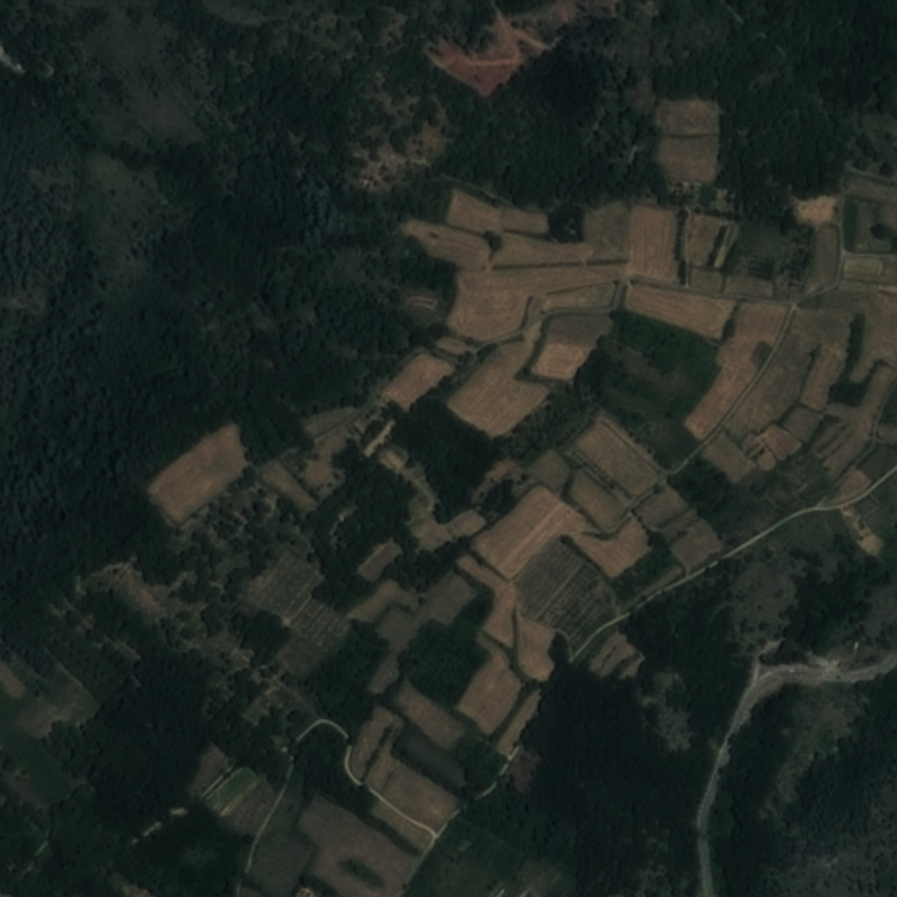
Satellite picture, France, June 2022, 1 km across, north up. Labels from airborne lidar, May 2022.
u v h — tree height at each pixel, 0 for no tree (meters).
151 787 16
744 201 8
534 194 14
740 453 0
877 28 14
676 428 0
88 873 17
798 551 8
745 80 11
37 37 14
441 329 5
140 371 7
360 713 10
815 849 7
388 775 0
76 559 11
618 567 0
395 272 12
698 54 11
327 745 7
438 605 0
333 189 16
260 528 11
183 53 8
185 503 0
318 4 7
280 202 10
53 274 19
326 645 0
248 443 12
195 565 13
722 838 15
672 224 0
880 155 12
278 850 0
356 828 0
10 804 11
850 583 12
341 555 17
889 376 0
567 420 8
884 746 14
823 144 16
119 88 9
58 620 7
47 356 19
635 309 0
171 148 11
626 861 10
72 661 9
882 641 8
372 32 10
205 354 10
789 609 8
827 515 0
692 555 0
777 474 0
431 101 10
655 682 7
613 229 0
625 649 0
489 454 11
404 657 7
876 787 11
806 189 16
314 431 0
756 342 0
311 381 19
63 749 11
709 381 0
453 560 7
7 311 16
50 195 16
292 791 0
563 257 0
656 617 10
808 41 7
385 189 0
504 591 0
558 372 0
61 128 8
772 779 13
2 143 21
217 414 14
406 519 14
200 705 18
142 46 0
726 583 7
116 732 18
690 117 0
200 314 7
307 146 14
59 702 0
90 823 15
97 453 12
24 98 10
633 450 0
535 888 0
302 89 7
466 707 0
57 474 7
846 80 6
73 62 13
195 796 11
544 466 0
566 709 16
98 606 13
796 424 0
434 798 0
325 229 29
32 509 6
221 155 6
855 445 0
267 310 11
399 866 0
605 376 11
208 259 12
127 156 10
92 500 10
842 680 0
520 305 0
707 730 12
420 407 9
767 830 13
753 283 0
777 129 9
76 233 15
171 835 6
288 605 0
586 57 12
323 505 12
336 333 10
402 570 6
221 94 8
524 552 0
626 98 7
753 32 10
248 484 11
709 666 12
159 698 22
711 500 7
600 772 9
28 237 14
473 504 8
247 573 13
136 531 12
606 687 11
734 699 12
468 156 7
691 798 12
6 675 0
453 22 8
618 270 0
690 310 0
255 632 12
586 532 0
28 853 10
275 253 8
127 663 15
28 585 19
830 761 10
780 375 0
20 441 14
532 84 8
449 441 14
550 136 10
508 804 9
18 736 0
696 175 0
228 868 5
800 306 0
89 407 14
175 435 16
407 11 7
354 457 6
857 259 0
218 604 12
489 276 0
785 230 12
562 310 0
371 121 12
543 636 0
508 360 0
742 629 8
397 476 7
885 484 0
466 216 0
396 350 11
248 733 11
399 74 6
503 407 0
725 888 8
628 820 11
